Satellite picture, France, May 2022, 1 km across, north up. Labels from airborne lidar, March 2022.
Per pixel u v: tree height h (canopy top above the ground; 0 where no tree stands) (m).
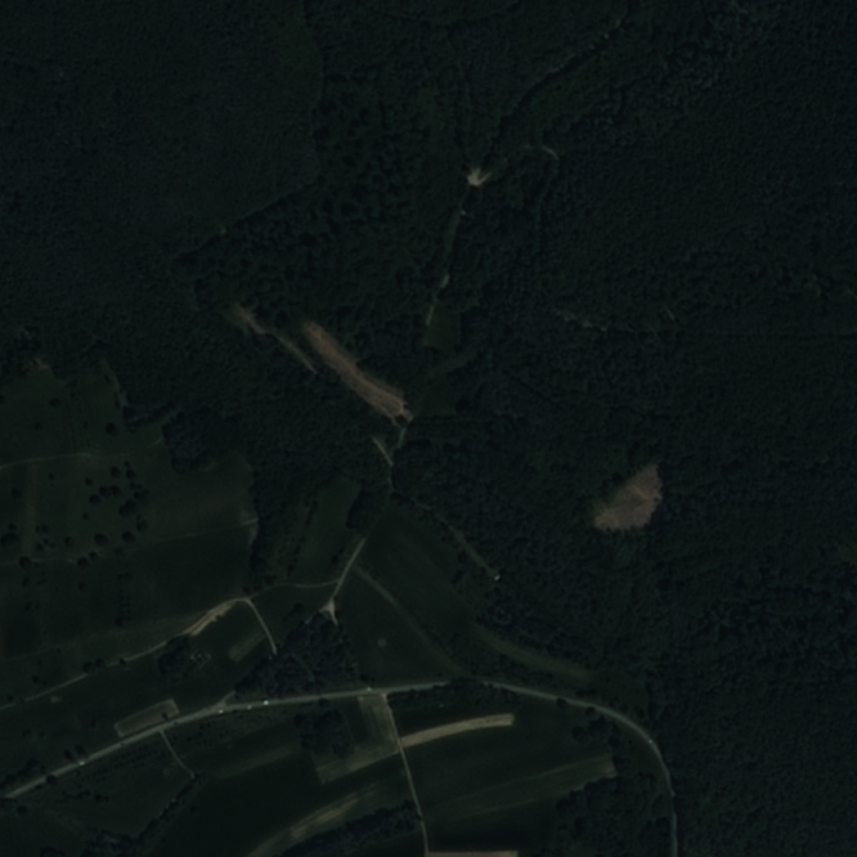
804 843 23
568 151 17
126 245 15
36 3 14
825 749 26
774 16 20
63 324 14
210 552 0
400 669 0
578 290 16
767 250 23
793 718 27
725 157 22
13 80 18
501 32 20
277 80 13
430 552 0
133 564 0
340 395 25
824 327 18
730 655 16
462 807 0
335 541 0
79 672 0
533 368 24
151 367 19
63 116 20
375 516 11
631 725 0
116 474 12
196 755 0
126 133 14
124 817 0
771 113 23
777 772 23
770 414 18
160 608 0
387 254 24
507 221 37
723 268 21
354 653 9
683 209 14
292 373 19
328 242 26
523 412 33
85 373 15
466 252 20
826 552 26
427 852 0
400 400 0
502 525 21
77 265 15
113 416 0
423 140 28
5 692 0
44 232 14
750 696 23
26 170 20
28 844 0
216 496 0
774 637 28
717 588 24
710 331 13
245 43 16
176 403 17
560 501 24
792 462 19
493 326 22
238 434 19
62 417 0
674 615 22
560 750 0
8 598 0
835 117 23
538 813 0
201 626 0
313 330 0
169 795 0
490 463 24
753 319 17
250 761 0
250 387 16
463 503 24
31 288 17
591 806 24
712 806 20
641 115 29
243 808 0
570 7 18
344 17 21
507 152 17
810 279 26
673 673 19
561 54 15
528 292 27
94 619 0
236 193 15
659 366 25
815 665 14
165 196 13
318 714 0
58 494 0
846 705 28
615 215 22
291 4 19
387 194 27
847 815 23
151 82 17
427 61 25
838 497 21
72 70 18
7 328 17
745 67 22
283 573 0
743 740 22
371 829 21
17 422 0
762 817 21
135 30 16
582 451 14
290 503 19
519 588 11
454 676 0
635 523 0
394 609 0
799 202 16
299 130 14
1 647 0
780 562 25
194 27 16
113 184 17
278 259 30
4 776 0
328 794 0
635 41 16
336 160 11
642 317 23
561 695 0
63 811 0
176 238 15
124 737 0
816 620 24
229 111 16
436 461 21
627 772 22
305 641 15
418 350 22
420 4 19
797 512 22
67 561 0
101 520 0
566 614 18
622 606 20
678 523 25
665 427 19
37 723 0
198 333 14
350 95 26
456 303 19
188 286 19
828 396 23
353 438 16
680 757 28
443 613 0
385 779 0
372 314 17
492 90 19
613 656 9
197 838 0
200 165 14
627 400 28
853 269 23
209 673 0
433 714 0
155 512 0
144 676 0
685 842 16
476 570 16
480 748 0
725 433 24
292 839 0
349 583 0
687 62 25
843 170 18
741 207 16
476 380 17
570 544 23
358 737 0
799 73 23
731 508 26
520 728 0
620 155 26
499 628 13
